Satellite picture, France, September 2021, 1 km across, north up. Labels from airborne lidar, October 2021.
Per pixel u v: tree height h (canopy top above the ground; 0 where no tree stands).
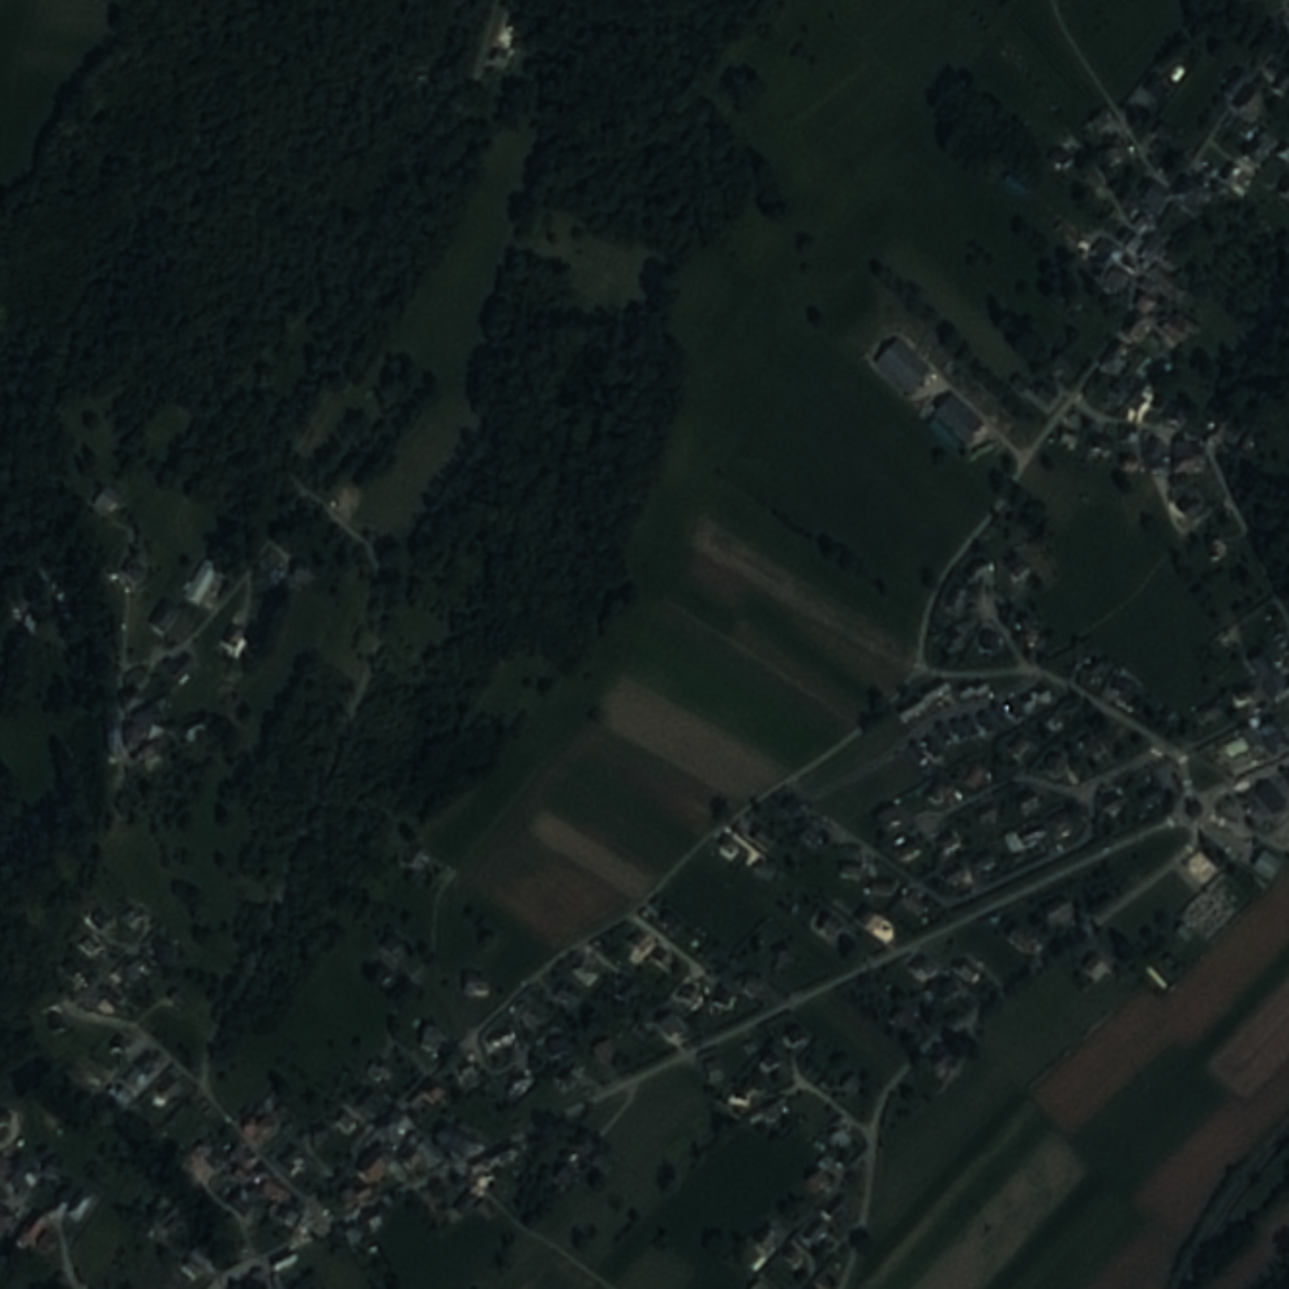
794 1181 0
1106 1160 0
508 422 30
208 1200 14
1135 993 0
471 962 0
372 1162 0
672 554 0
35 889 22
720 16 25
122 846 0
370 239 19
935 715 0
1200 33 25
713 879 0
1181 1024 0
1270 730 0
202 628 0
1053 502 0
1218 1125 0
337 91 16
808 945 0
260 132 17
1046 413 0
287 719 19
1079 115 0
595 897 0
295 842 10
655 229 25
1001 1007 11
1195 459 0
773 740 0
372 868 24
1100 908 8
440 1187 10
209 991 8
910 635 0
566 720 0
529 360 29
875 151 0
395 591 20
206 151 18
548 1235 0
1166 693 0
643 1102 0
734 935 0
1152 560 0
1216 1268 18
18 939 19
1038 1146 0
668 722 0
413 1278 0
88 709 22
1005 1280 0
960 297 0
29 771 0
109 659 7
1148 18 0
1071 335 8
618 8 21
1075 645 6
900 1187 0
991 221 0
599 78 29
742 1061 0
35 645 16
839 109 0
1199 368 9
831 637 0
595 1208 0
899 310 0
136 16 17
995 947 0
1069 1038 0
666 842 0
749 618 0
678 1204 0
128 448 11
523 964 0
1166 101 7
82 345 16
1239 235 7
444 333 0
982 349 0
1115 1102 0
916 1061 14
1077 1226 0
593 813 0
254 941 10
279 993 16
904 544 0
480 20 8
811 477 0
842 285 0
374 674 8
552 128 20
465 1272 0
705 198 30
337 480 11
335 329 12
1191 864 0
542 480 29
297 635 0
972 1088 0
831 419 0
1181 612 0
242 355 20
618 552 24
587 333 29
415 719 7
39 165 13
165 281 28
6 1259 15
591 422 30
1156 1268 0
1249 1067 0
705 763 0
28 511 28
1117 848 0
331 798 16
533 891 0
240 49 22
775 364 0
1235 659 5
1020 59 0
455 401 0
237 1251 10
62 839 29
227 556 24
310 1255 0
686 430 0
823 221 0
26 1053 22
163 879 0
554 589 27
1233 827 0
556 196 24
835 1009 0
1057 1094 0
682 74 30
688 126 26
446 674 8
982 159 21
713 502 0
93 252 16
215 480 22
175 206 20
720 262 0
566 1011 9
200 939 15
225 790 11
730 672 0
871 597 0
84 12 0
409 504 0
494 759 17
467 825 0
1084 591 0
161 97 21
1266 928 0
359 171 19
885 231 0
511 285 12
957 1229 0
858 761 0
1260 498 21
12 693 20
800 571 0
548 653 17
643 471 23
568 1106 0
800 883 0
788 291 0
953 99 19
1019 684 0
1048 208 0
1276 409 26
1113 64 0
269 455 24
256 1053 0
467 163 22
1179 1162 0
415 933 0
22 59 0
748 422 0
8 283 16
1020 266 0
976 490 0
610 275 0
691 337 0
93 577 15
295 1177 0
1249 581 13
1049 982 0
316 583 0
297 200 19
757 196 21
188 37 23
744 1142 0
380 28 26
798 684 0
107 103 23
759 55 0
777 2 29
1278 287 7
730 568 0
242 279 14
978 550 8
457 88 16
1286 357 25
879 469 0
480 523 24
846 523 0
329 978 0
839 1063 9
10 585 26
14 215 13
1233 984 0
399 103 21
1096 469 0
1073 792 0
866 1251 14
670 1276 0
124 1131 12
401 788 17
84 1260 0
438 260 18
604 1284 0
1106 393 0
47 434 24
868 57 0
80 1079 0
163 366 15
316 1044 0
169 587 0
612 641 0
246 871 9
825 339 0
